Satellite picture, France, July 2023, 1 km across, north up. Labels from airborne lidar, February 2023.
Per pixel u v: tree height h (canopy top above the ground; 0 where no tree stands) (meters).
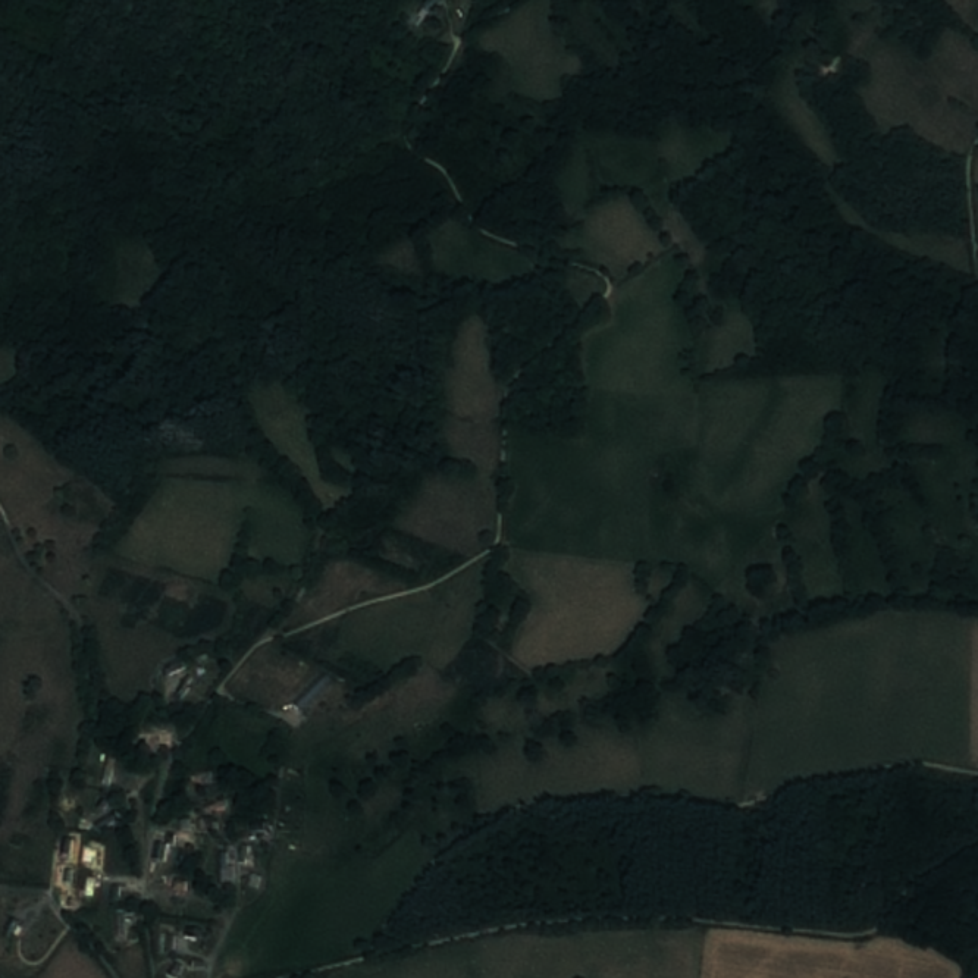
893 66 0
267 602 0
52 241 11
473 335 0
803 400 0
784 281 9
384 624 0
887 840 10
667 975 0
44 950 0
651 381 0
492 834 11
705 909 18
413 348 16
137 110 24
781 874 21
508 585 16
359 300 25
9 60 9
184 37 17
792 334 9
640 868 25
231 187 18
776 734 0
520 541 0
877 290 21
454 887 11
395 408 6
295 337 29
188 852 9
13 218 15
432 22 18
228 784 14
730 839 22
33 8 6
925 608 16
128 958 0
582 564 0
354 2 15
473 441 0
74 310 10
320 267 21
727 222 9
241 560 16
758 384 0
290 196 8
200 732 8
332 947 0
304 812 0
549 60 0
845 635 0
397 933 17
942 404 13
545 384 15
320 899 0
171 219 9
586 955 0
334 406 12
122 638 0
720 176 14
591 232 0
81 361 26
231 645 12
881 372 8
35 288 9
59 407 9
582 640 0
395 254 0
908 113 0
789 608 0
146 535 0
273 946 0
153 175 19
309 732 0
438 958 0
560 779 0
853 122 15
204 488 0
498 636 13
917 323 18
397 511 9
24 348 12
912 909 15
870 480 7
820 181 14
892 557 11
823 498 0
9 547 0
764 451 0
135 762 17
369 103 9
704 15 13
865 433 0
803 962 0
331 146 15
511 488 14
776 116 8
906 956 0
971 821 7
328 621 0
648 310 0
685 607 0
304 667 0
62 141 23
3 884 0
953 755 0
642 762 0
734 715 0
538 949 0
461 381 0
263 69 17
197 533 0
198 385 17
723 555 0
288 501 0
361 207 8
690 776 0
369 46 19
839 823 13
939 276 16
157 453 11
